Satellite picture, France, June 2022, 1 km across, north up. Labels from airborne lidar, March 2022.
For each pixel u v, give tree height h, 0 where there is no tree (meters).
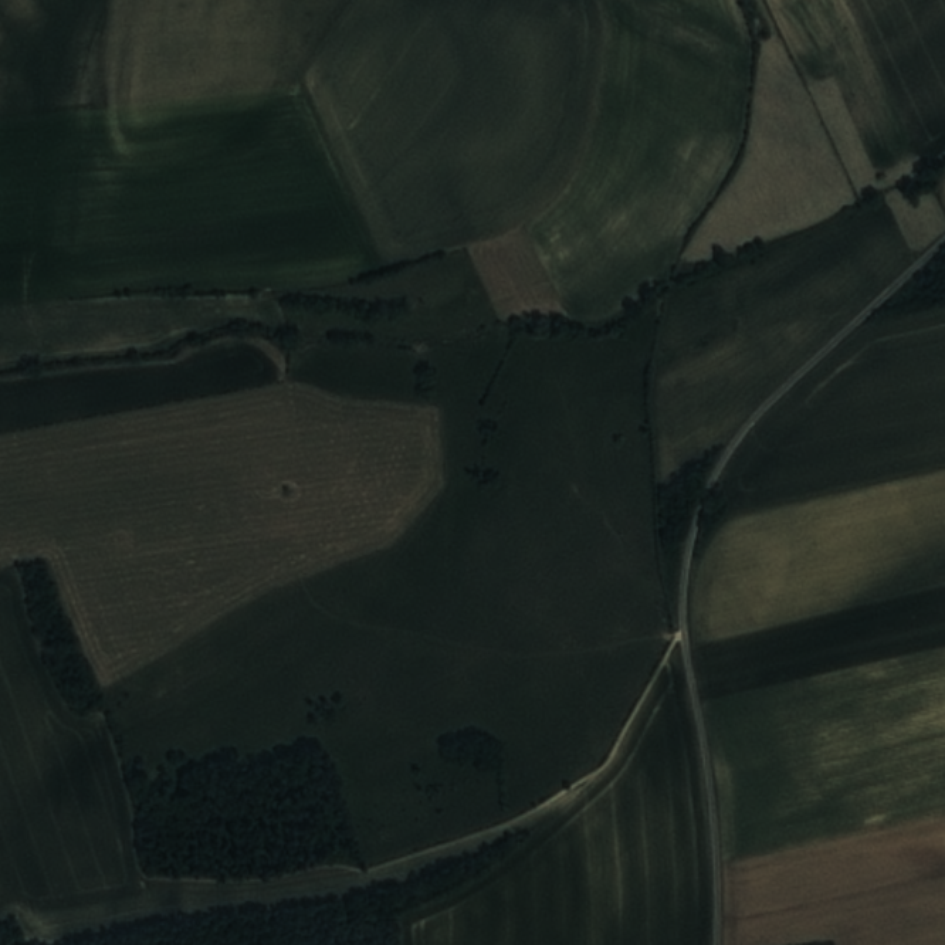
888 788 0
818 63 0
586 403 0
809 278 0
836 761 0
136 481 0
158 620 0
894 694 0
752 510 0
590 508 0
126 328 0
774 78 0
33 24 0
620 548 0
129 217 0
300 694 0
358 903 16
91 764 0
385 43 0
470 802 0
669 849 0
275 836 24
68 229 0
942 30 0
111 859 0
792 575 0
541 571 0
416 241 0
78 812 0
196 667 0
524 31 0
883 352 0
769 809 0
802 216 0
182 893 0
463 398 0
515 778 0
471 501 0
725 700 0
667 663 0
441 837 0
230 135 0
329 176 0
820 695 0
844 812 0
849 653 0
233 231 0
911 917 0
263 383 0
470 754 19
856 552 0
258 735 0
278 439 0
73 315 0
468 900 0
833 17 0
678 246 0
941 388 0
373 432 0
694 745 0
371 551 0
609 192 0
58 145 0
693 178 0
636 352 0
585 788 0
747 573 0
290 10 0
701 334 0
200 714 0
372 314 19
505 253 0
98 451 0
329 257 0
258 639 0
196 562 0
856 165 0
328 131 0
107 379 0
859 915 0
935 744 0
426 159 0
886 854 0
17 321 0
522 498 0
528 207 0
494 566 0
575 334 15
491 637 0
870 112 0
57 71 0
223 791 23
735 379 0
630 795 0
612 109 0
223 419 0
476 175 0
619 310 0
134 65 0
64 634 13
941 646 0
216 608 0
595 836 0
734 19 0
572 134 0
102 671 0
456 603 0
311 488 0
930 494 0
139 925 12
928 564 0
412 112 0
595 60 0
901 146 0
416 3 0
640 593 0
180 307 0
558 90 0
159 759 0
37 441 0
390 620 0
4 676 0
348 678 0
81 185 0
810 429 0
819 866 0
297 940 17
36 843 0
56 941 0
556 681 0
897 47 0
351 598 0
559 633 0
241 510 0
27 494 0
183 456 0
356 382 0
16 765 0
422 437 0
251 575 0
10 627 0
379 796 0
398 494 0
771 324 0
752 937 0
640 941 0
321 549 0
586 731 0
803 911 0
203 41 0
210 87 0
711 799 0
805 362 0
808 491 0
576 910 0
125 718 0
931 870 0
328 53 0
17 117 0
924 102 0
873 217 0
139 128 0
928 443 0
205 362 0
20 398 0
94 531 0
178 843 15
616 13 0
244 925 18
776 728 0
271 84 0
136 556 0
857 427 0
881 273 0
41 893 0
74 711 9
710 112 0
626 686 0
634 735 0
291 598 0
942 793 0
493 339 0
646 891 0
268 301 0
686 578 0
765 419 0
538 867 0
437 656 0
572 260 0
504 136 0
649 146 0
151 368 0
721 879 0
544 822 0
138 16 0
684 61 0
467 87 0
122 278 0
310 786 26
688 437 0
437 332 0
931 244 0
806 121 0
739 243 0
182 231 0
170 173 0
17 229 0
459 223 0
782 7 0
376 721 0
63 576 0
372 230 0
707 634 0
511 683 0
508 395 0
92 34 0
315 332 0
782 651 0
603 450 0
